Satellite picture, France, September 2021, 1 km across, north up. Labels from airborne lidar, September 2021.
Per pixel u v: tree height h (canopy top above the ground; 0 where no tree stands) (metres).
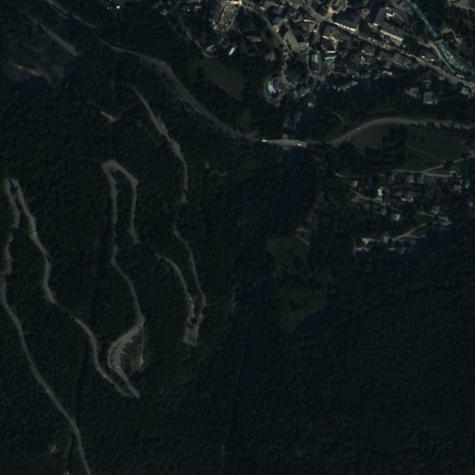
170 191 15
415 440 22
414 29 8
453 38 8
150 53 18
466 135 12
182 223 18
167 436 19
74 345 20
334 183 17
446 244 15
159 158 24
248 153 10
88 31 6
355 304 23
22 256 27
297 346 17
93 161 24
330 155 16
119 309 15
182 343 9
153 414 13
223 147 17
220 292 17
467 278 20
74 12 12
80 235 22
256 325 21
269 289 23
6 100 21
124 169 10
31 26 10
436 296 21
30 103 27
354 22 0
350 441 26
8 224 19
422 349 15
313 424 21
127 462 17
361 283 22
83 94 18
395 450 20
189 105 9
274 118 19
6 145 18
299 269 18
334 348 22
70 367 17
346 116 15
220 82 0
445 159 0
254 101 9
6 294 0
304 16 0
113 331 19
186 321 7
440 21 10
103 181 19
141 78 13
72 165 19
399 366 11
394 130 0
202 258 19
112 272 23
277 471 24
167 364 21
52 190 27
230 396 18
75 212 27
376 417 25
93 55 26
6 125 33
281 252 0
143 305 19
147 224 28
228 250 19
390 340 11
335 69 7
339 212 6
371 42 0
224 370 26
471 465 23
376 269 24
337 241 23
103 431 18
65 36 8
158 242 27
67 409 10
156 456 16
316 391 28
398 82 8
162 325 14
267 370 17
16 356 25
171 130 9
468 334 21
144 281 20
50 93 22
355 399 26
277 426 17
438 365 18
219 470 22
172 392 12
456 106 10
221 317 22
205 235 20
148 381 19
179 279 17
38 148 24
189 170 9
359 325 26
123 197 13
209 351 11
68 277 24
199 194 15
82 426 16
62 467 12
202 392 30
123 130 14
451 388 30
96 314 19
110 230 18
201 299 13
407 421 23
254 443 16
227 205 22
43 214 21
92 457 21
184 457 19
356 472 19
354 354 18
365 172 11
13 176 27
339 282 19
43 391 12
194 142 17
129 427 20
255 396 21
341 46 9
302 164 23
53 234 25
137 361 0
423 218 0
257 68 19
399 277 23
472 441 24
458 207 12
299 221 23
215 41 10
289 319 0
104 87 21
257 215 15
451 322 17
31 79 0
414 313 17
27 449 10
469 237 20
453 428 27
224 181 15
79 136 17
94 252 15
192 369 13
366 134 0
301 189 20
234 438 24
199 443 16
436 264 21
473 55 0
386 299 17
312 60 0
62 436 11
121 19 14
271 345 20
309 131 21
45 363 27
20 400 18
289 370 25
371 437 25
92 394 23
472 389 29
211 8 0
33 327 25
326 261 24
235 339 27
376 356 15
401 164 16
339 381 20
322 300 0
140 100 15
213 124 14
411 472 22
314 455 23
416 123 0
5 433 29
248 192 26
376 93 8
